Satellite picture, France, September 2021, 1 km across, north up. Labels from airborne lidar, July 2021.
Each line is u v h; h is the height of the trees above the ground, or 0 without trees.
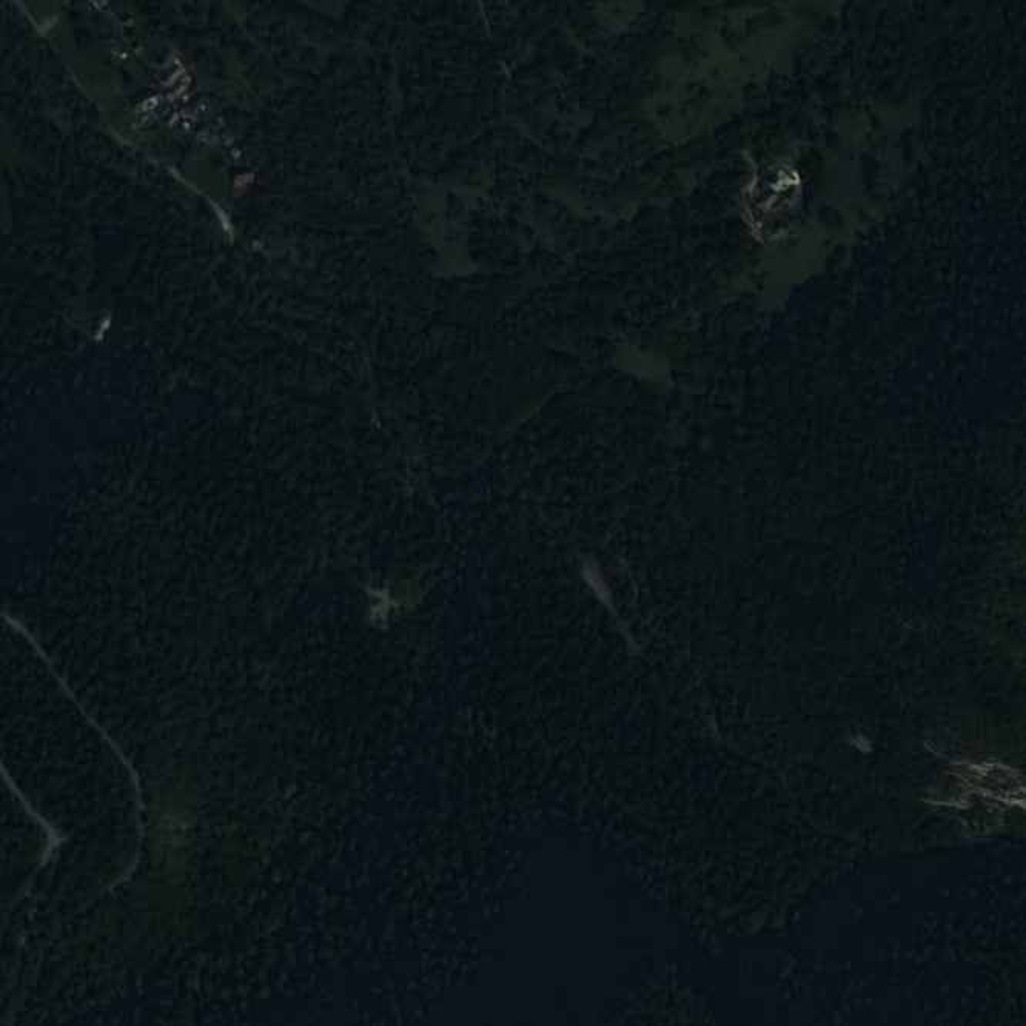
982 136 22
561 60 11
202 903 25
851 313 19
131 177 8
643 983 8
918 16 8
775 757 29
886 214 17
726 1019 17
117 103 0
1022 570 9
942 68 24
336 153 18
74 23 12
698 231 24
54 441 30
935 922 27
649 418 26
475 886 39
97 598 22
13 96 22
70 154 27
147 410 27
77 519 13
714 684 25
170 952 18
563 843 32
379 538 20
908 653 13
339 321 21
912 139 8
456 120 19
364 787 30
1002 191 24
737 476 21
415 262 15
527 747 34
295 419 25
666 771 26
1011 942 28
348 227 16
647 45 15
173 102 0
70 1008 30
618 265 25
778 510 13
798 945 19
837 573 27
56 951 14
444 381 25
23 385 19
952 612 24
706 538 27
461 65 18
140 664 22
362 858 40
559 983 23
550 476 23
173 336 31
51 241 9
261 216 14
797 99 20
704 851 29
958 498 24
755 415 22
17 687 20
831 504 17
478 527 22
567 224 12
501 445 10
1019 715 13
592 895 32
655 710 20
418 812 35
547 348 10
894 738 22
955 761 14
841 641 22
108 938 19
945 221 28
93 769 34
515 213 14
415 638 22
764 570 24
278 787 16
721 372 21
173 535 26
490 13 12
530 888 6
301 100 14
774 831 22
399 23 19
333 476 24
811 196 11
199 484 22
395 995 13
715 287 20
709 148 20
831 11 0
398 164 8
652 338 13
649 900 28
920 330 24
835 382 29
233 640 24
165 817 6
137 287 20
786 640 19
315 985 18
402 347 16
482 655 30
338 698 21
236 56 9
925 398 17
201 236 20
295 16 18
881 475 20
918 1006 31
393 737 28
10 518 33
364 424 17
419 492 7
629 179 15
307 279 14
